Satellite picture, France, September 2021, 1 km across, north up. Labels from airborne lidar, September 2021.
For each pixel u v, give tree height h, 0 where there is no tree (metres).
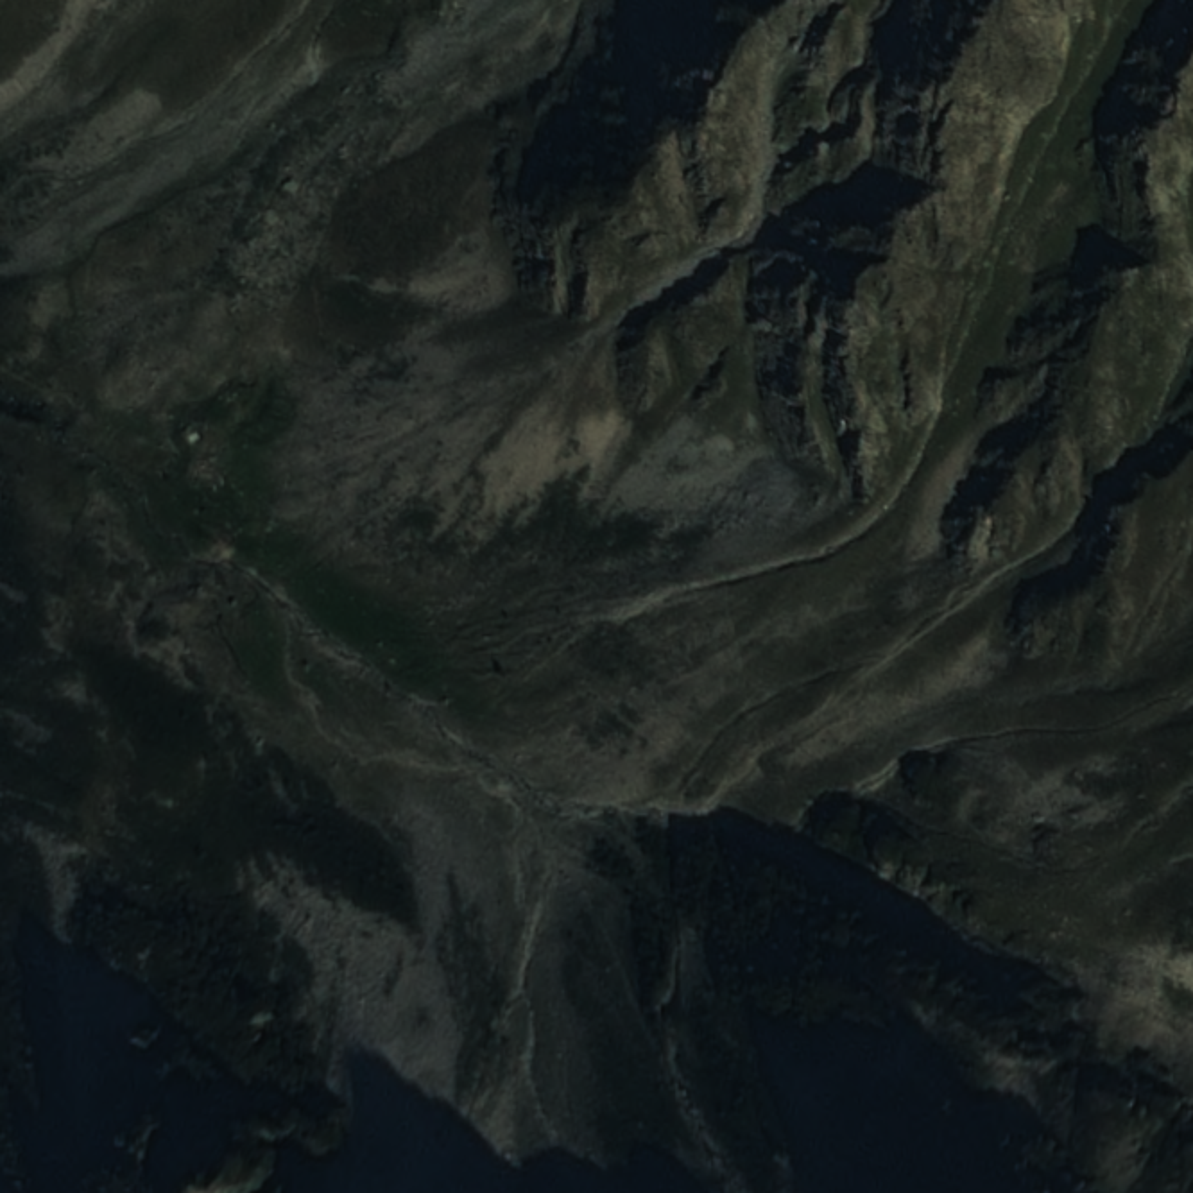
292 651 0
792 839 0
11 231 0
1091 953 0
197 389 0
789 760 0
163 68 0
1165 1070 0
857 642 0
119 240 0
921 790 0
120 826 0
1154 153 0
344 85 0
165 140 0
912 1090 0
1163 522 0
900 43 0
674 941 0
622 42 0
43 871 0
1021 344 0
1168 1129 0
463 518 0
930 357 0
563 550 0
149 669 0
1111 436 0
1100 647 0
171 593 0
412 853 0
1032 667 0
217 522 0
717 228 0
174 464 0
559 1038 0
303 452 0
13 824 0
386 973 0
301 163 0
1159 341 0
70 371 0
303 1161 0
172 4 0
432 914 0
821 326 0
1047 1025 0
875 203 0
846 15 0
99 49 0
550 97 0
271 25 0
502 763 0
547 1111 0
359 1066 0
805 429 0
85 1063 0
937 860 0
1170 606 0
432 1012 0
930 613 0
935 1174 0
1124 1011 0
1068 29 0
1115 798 0
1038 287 0
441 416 0
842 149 0
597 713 0
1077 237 0
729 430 0
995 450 0
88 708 0
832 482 0
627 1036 0
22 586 0
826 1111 0
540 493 0
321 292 0
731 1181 0
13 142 0
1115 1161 0
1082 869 0
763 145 0
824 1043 0
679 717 0
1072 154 0
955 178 0
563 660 0
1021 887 0
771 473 0
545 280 0
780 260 0
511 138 0
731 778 0
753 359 0
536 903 0
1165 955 0
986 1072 0
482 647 0
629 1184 0
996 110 0
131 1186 0
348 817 0
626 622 0
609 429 0
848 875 0
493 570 0
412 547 0
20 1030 0
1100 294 0
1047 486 0
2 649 0
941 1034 0
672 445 0
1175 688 0
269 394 0
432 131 0
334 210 0
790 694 0
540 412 0
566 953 0
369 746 0
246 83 0
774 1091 0
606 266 0
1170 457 0
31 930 0
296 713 0
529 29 0
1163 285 0
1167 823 0
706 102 0
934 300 0
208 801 0
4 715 0
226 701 0
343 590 0
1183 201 0
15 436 0
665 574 0
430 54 0
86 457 0
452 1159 0
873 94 0
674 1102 0
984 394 0
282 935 0
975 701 0
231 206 0
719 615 0
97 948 0
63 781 0
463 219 0
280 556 0
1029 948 0
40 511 0
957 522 0
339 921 0
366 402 0
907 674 0
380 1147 0
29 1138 0
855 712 0
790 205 0
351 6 0
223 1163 0
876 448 0
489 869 0
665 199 0
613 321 0
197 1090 0
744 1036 0
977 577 0
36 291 0
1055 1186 0
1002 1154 0
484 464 0
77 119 0
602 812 0
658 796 0
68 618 0
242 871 0
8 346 0
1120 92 0
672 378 0
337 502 0
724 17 0
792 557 0
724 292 0
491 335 0
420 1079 0
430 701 0
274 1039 8
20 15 0
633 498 0
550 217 0
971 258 0
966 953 0
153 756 0
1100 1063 0
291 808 0
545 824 0
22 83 0
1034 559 0
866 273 0
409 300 0
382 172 0
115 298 0
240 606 0
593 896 0
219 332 0
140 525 0
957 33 0
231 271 0
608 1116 0
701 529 0
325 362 0
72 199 0
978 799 0
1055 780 0
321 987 0
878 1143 0
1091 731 0
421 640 0
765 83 0
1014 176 0
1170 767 0
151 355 0
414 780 0
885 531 0
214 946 7
